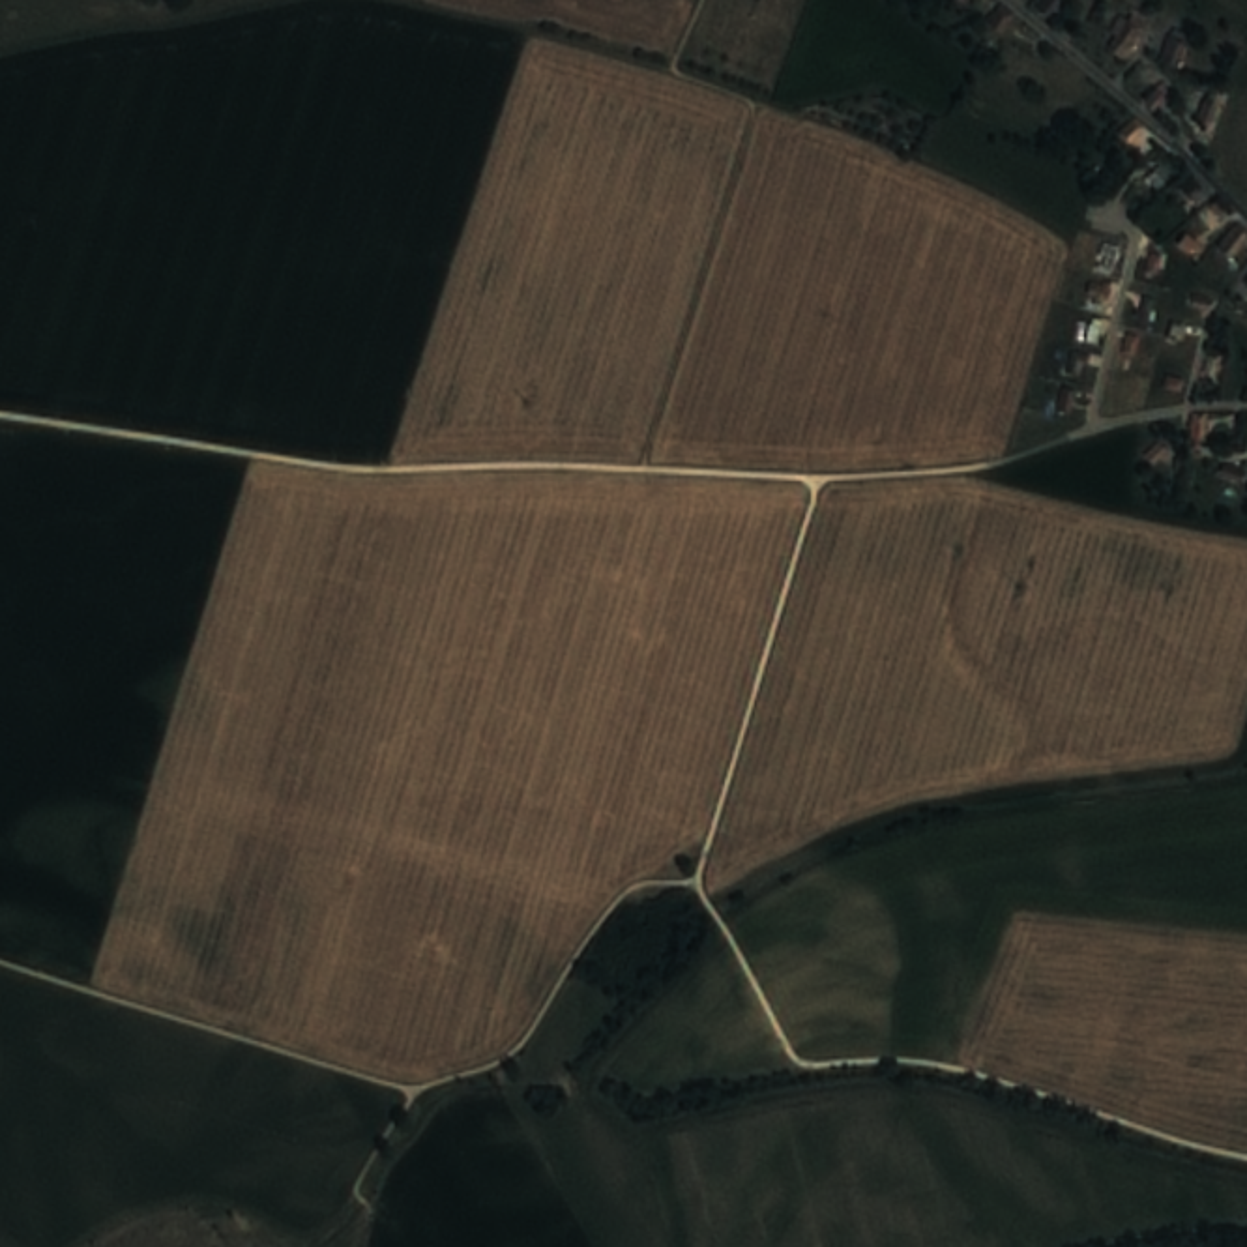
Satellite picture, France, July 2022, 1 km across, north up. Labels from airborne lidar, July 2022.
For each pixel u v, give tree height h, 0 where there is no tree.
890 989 0
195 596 0
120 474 0
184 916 0
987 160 0
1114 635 0
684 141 0
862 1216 0
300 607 0
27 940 0
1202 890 0
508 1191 0
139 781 0
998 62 11
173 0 20
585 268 0
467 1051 0
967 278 0
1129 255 0
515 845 0
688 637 0
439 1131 0
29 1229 0
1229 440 15
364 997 0
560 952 0
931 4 16
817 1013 0
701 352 0
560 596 0
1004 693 0
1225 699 0
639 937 5
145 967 0
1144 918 0
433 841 0
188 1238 0
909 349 0
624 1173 0
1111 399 0
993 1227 0
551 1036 0
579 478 0
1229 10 0
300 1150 0
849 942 0
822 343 0
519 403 0
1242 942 0
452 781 0
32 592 0
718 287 0
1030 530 0
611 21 0
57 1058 0
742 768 0
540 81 0
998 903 0
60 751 0
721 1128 0
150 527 0
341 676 0
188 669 0
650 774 0
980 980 0
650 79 0
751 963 0
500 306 0
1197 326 0
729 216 0
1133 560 0
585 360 0
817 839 0
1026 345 0
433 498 0
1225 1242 24
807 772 0
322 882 0
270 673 0
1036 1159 0
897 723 0
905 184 0
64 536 0
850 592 0
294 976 0
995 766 0
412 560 0
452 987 0
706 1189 0
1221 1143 0
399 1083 0
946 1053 0
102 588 0
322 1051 0
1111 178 14
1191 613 0
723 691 0
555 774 0
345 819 0
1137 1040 0
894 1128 0
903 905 0
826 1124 0
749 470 0
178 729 0
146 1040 0
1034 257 0
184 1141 0
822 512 0
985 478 0
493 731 0
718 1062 0
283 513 0
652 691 0
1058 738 0
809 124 0
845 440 0
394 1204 0
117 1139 0
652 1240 0
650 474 0
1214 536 0
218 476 0
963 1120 0
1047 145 16
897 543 0
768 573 0
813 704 0
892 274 0
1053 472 0
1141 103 0
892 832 9
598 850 0
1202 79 15
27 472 0
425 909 0
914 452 0
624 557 0
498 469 0
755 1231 0
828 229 0
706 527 0
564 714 0
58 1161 0
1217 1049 0
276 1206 0
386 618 0
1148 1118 0
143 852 0
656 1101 6
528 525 0
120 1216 0
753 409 0
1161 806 0
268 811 0
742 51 0
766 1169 0
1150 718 0
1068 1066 0
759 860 0
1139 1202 0
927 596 0
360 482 0
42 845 0
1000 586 0
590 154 0
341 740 0
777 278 0
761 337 0
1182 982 0
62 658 0
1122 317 0
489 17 0
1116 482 0
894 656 0
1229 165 0
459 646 0
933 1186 0
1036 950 0
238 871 0
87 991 0
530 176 0
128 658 0
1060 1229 0
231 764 0
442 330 0
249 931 0
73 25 0
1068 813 0
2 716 0
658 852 0
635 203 0
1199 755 0
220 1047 0
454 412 0
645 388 0
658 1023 0
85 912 0
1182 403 0
